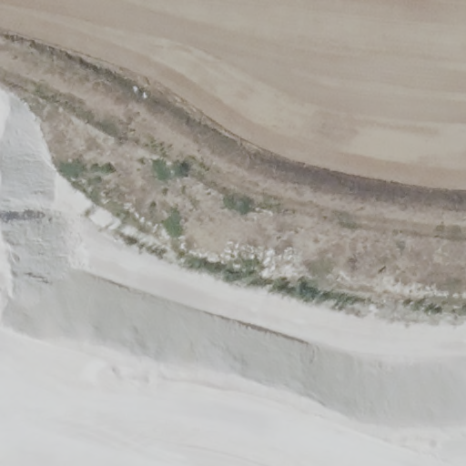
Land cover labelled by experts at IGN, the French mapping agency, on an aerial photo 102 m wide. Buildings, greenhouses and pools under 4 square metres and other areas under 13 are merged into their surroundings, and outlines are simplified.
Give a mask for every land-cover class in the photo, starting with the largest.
<instances>
[{"label":"pervious surface","instance_id":"1","mask_svg":"<svg viewBox=\"0 0 466 466\"><path fill-rule=\"evenodd\" d=\"M129 235L151 246L166 249V255L158 258L146 251H140L135 246H127L126 240ZM0 466H466V319L457 326L439 322L435 326H406L404 322L379 319L375 306L368 308L366 317H355L342 311L326 308L324 304L293 299L282 293H271L266 288H244L238 286L237 282L217 279L215 275L206 271L187 269L186 262L175 255L169 235L164 228L160 231V237H151L133 226H127L126 222L113 217L106 209L98 208L67 180L58 173L56 167L51 160L44 135L40 131L38 116L13 91L4 89L0 93Z\"/></svg>","mask_w":466,"mask_h":466},{"label":"herbaceous vegetation","instance_id":"2","mask_svg":"<svg viewBox=\"0 0 466 466\"><path fill-rule=\"evenodd\" d=\"M4 89L13 91L38 116L40 131L44 135L51 160L56 167L60 162H73L75 158L86 162V173H82V177H71L67 180L98 208L106 209L113 217L126 222L127 226H133L151 237H160V231L164 228L171 209L178 208L182 235H169L175 255L186 262L191 257L208 258L209 262H228L231 258L237 257L258 258L264 262L262 277H297L308 280L309 286L320 291H335L364 297L362 304H346L342 311L355 317H366L368 308L375 306L379 319L404 322L406 326H435L439 322L457 326L466 319V315L461 317L450 313L415 311L404 306V299L448 297V291H462V299H466V191L408 186L380 178L348 175L340 171H331L326 167L306 166L302 162H293L266 149L253 151L244 146V138L224 129L217 120L204 115V111L195 109L189 115L186 111L189 104L186 98L171 93L149 76L138 73L135 75L127 67L122 66L116 71H111L107 67L95 66L82 56L71 55L64 49L40 44L29 36L5 33L0 27V93ZM153 160H160L166 166L187 162V177L160 180L153 171ZM233 193L253 200L249 213L240 215L238 211H231L224 206L226 200H231Z\"/></svg>","mask_w":466,"mask_h":466},{"label":"plowed land","instance_id":"3","mask_svg":"<svg viewBox=\"0 0 466 466\"><path fill-rule=\"evenodd\" d=\"M0 27L5 33L29 36L40 44L64 49L71 55L82 56L95 66L107 67L111 71H116L122 66L127 67L135 75L138 73L149 76L171 93L186 98L189 104L186 111L189 115L195 109L204 111V115L217 120L224 129L244 138V146L253 151L266 149L293 162H302L306 166L326 167L331 171H340L348 175L380 178L408 186L466 191V0H0Z\"/></svg>","mask_w":466,"mask_h":466},{"label":"brushwood","instance_id":"4","mask_svg":"<svg viewBox=\"0 0 466 466\"><path fill-rule=\"evenodd\" d=\"M58 173L67 180L71 177H82V173H86V162L75 158L73 162H60L56 167ZM153 171L160 180L187 177V162L166 166L160 160H153ZM253 200L233 193L231 200H226L224 206L231 211H238L240 215L249 213ZM164 228L169 235H182L178 208L171 209ZM127 246H135L140 251H146L158 258L166 255V249L151 246L129 235L126 240ZM187 269L206 271L215 275L217 279L237 282L238 286L244 288H266L271 293H282L293 299L324 304L326 308L342 311L346 304H362L364 297L335 291H320L309 286L308 280L297 277H262L264 262L258 258L237 257L231 258L228 262H209L208 258L191 257L186 262ZM404 306L415 311L450 313L461 317L466 315V299H462V291H448V297L404 299Z\"/></svg>","mask_w":466,"mask_h":466}]
</instances>
